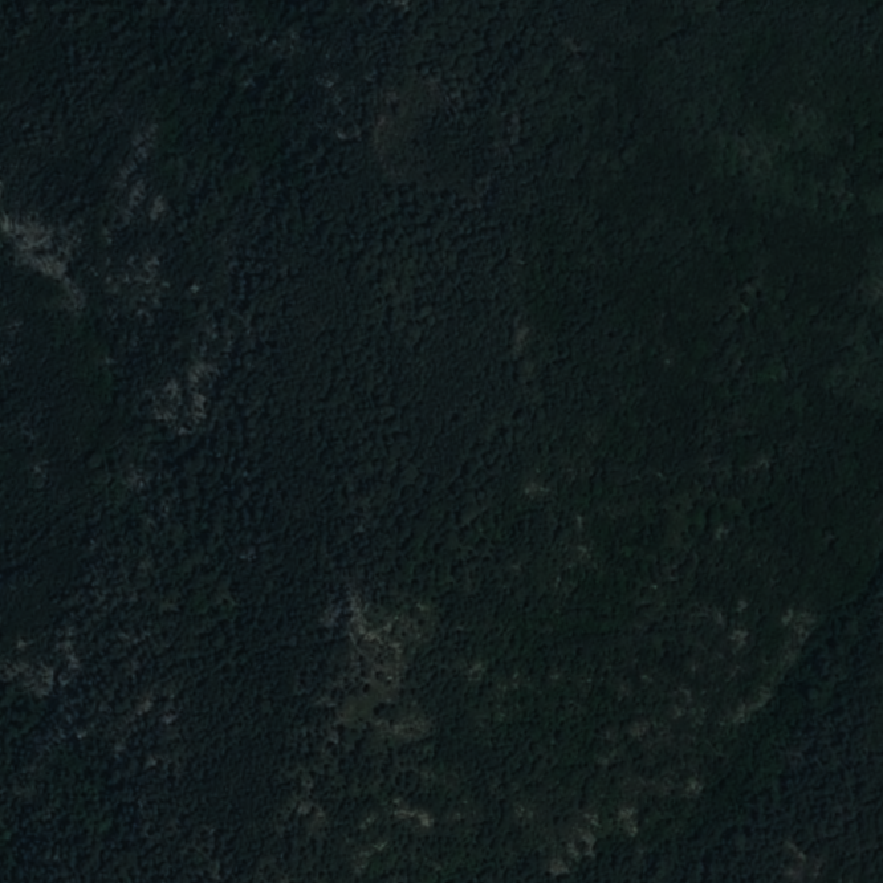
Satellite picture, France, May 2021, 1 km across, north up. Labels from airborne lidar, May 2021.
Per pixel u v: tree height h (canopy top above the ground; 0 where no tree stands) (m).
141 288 8
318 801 12
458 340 25
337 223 22
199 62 18
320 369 21
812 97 16
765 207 22
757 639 11
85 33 20
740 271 13
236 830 11
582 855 7
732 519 11
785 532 16
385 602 11
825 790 17
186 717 11
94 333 15
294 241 16
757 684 15
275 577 17
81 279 10
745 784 18
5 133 11
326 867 12
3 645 6
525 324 14
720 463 19
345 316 23
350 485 17
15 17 11
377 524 15
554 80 15
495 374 23
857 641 17
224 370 11
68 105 17
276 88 22
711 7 12
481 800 17
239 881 15
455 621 17
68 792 10
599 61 28
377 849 9
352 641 8
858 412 17
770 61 13
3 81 13
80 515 14
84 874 15
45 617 10
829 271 18
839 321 22
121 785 10
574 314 17
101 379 12
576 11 22
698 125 24
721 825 24
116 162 7
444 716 10
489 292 22
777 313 16
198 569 21
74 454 9
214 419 16
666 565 9
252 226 8
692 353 16
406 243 20
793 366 19
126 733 10
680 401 16
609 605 9
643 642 15
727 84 27
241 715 11
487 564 18
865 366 22
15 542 11
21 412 13
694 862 19
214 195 20
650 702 10
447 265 13
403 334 13
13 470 11
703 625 16
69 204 12
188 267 9
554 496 8
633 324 9
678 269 22
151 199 7
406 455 19
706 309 9
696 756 11
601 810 7
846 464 20
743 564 11
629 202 25
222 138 13
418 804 15
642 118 25
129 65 19
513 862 7
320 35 14
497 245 15
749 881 13
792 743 16
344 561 16
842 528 17
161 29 17
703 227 23
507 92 17
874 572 16
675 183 26
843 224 14
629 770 12
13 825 19
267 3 13
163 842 13
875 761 16
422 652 12
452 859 10
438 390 24
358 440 18
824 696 31
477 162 12
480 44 21
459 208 11
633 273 12
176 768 14
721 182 19
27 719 29
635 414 16
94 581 10
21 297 9
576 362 18
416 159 7
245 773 16
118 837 20
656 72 24
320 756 15
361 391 14
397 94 19
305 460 23
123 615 13
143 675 14
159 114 12
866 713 14
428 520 25
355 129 17
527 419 23
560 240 14
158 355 9
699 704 9
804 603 12
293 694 19
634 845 19
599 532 8
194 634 11
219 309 7
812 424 15
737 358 19
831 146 18
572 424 21
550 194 20
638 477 9
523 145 17
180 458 19
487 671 7
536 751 17
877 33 23
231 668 17
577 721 13
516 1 24
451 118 16
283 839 14
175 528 17
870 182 19
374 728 13
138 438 14
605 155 23
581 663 10
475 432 19
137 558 6
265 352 20
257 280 17
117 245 8
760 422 15
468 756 18
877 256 23
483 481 20
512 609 18
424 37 24
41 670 7
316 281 28
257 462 11
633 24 28
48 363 10
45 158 10
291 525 14
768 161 23
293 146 8
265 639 17
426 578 11
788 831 17
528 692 15
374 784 8
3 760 12
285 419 21
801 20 27
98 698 9
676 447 16
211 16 9
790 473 15
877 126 19
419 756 12
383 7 13
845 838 19
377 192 15
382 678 14
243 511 24
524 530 21
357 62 7
